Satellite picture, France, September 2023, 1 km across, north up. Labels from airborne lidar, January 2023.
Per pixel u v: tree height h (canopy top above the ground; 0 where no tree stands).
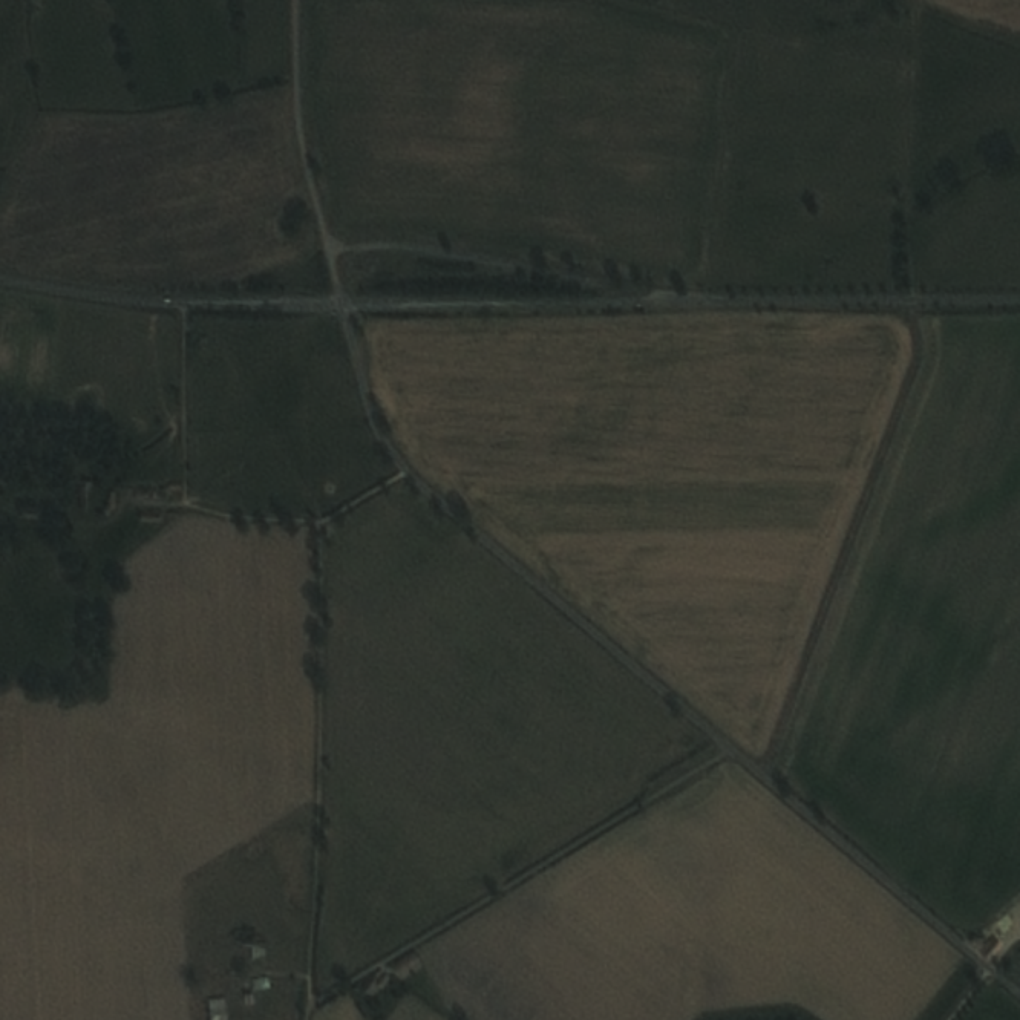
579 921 0
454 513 19
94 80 0
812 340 0
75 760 0
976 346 0
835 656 0
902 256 16
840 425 0
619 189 0
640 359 0
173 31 0
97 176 0
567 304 0
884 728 0
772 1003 0
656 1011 0
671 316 0
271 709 0
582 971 0
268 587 0
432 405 0
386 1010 0
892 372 0
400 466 0
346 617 0
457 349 0
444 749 0
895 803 0
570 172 0
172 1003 0
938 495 0
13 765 0
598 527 0
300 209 13
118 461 15
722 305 0
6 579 0
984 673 0
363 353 0
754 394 0
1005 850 0
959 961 0
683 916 0
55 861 0
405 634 0
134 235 0
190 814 0
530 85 0
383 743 0
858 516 0
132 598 0
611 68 0
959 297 0
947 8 0
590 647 0
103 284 0
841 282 0
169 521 0
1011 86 0
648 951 0
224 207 0
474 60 0
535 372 0
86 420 8
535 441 0
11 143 0
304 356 0
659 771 0
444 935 0
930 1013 0
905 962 0
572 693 0
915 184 0
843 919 0
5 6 0
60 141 0
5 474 23
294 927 0
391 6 0
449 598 0
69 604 0
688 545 0
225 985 0
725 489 0
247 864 0
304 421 0
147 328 0
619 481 0
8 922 0
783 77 0
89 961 0
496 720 0
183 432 0
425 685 0
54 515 21
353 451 0
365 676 0
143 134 0
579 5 0
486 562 0
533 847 0
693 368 0
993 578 0
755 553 0
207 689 0
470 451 0
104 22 0
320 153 0
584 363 0
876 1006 0
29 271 0
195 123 0
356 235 0
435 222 0
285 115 0
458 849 0
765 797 0
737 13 0
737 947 0
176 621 0
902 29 0
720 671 0
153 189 0
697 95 0
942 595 0
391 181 0
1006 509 0
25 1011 0
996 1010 0
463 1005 0
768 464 0
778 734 0
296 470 0
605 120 0
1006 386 0
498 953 0
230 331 0
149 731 0
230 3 13
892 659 0
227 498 0
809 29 0
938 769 0
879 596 0
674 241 0
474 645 0
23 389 0
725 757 0
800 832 0
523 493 0
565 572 0
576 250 0
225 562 0
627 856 0
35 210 0
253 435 0
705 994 0
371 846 0
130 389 0
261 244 0
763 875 0
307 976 0
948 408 0
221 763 0
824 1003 0
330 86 0
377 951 0
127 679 0
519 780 0
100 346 0
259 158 0
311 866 0
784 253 0
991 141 0
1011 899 0
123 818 0
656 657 0
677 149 0
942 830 0
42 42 0
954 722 0
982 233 0
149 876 0
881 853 0
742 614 0
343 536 0
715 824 0
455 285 13
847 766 0
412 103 0
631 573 0
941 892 0
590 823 0
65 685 16
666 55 0
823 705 0
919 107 0
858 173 0
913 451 0
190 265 0
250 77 0
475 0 0
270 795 0
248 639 0
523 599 0
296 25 0
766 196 0
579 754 0
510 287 14
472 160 0
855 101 0
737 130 0
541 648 0
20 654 0
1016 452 0
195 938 0
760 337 0
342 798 0
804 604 0
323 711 0
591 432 0
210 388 0
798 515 0
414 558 0
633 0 0
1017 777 0
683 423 0
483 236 0
